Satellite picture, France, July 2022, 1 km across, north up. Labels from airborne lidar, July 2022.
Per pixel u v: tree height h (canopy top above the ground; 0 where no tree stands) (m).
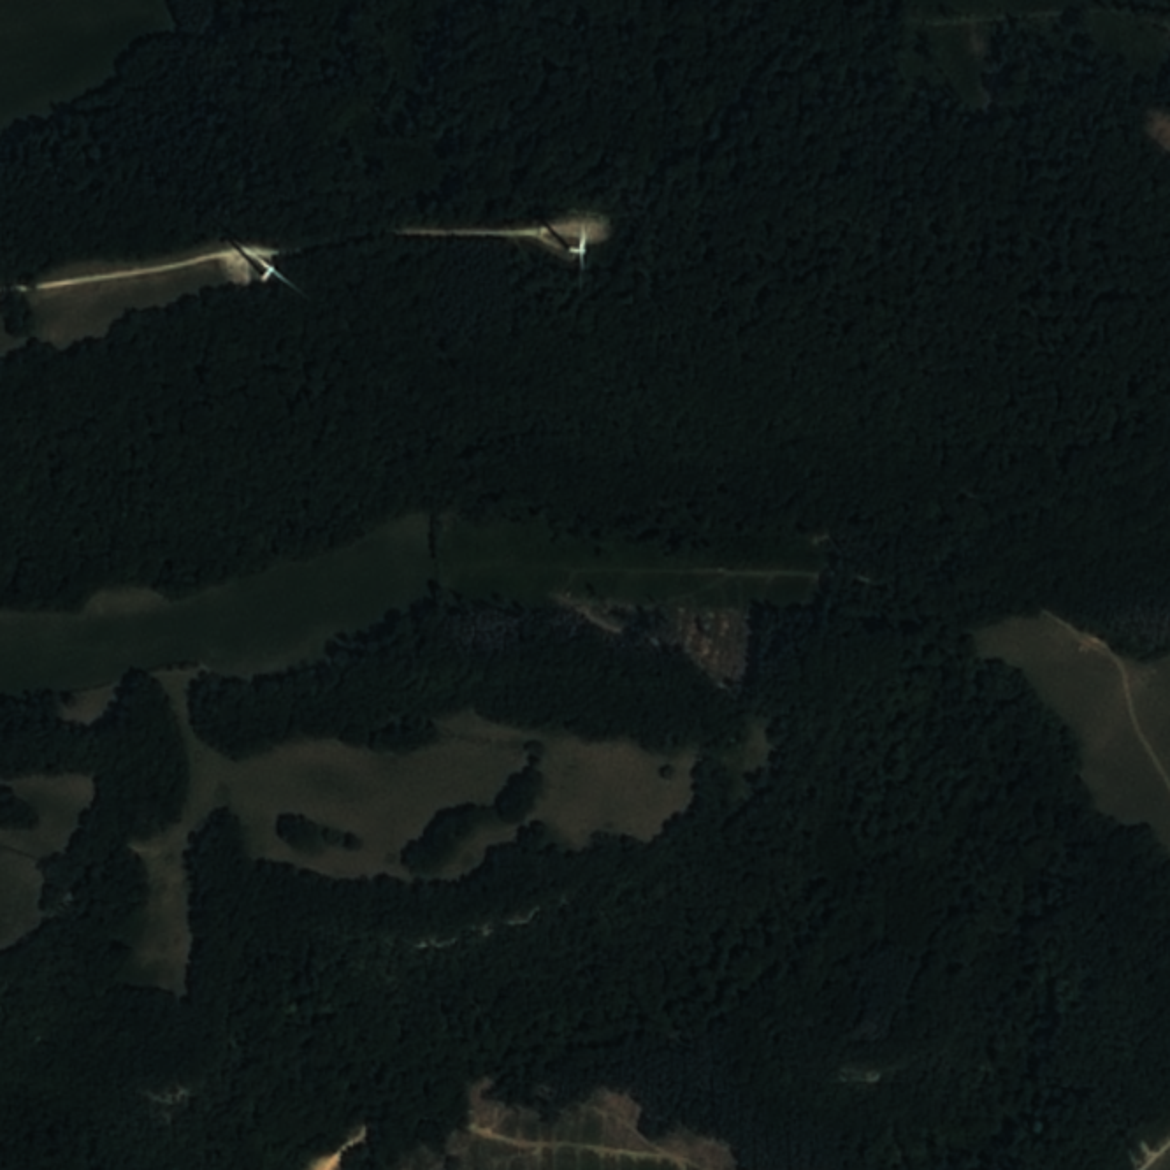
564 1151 0
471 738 0
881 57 17
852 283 24
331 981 31
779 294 24
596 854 16
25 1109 23
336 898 20
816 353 22
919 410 27
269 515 21
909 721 24
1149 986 13
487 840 0
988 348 28
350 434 20
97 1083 24
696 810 14
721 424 23
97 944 28
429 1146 28
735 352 23
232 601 0
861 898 26
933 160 28
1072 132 22
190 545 23
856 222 17
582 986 28
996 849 24
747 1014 29
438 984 23
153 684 24
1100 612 20
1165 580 21
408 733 19
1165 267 22
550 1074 24
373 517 30
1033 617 19
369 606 0
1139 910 24
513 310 13
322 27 11
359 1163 18
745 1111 23
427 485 29
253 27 35
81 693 0
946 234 26
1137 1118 15
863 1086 15
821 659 27
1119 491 22
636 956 28
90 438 27
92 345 17
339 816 0
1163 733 0
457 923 16
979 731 11
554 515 30
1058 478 24
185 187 19
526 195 29
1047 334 26
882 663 20
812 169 28
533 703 19
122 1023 25
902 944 12
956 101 20
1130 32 0
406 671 22
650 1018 31
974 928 36
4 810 24
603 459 22
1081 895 26
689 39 25
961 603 25
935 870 13
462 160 31
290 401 25
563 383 25
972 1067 7
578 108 34
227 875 24
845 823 10
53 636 0
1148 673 0
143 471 18
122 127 18
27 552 23
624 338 17
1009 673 20
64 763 18
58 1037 19
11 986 14
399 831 0
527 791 20
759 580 0
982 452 21
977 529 24
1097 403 19
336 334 27
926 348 22
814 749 24
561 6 30
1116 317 27
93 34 0
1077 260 30
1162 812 0
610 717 16
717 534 6
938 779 23
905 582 29
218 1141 24
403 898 19
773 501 33
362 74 27
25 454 20
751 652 23
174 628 0
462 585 0
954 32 0
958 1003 17
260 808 0
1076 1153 15
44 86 0
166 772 27
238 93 25
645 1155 0
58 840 0
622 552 0
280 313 24
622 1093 24
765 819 25
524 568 0
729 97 15
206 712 22
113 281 0
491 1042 32
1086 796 15
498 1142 0
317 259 23
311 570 0
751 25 18
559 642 22
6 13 0
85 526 23
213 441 21
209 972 25
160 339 21
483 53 34
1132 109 19
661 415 23
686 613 27
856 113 28
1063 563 27
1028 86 22
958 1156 28
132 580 28
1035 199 18
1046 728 16
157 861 0
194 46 25
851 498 31
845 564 25
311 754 0
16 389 21
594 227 0
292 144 30
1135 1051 6
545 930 20
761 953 31
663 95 16
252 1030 35
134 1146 11
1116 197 12
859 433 24
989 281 24
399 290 26
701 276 26
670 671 16
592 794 0
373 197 26
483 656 19
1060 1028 29
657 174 8
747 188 26
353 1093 22
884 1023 20
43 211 28
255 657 0
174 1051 20
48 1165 18
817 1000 10
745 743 12
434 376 23
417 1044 27
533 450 19
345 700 22
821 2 14
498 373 22
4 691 0
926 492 30
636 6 33
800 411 23
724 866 25
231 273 0
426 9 5
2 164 23
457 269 17
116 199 25
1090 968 12
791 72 18
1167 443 31
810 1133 18
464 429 26
